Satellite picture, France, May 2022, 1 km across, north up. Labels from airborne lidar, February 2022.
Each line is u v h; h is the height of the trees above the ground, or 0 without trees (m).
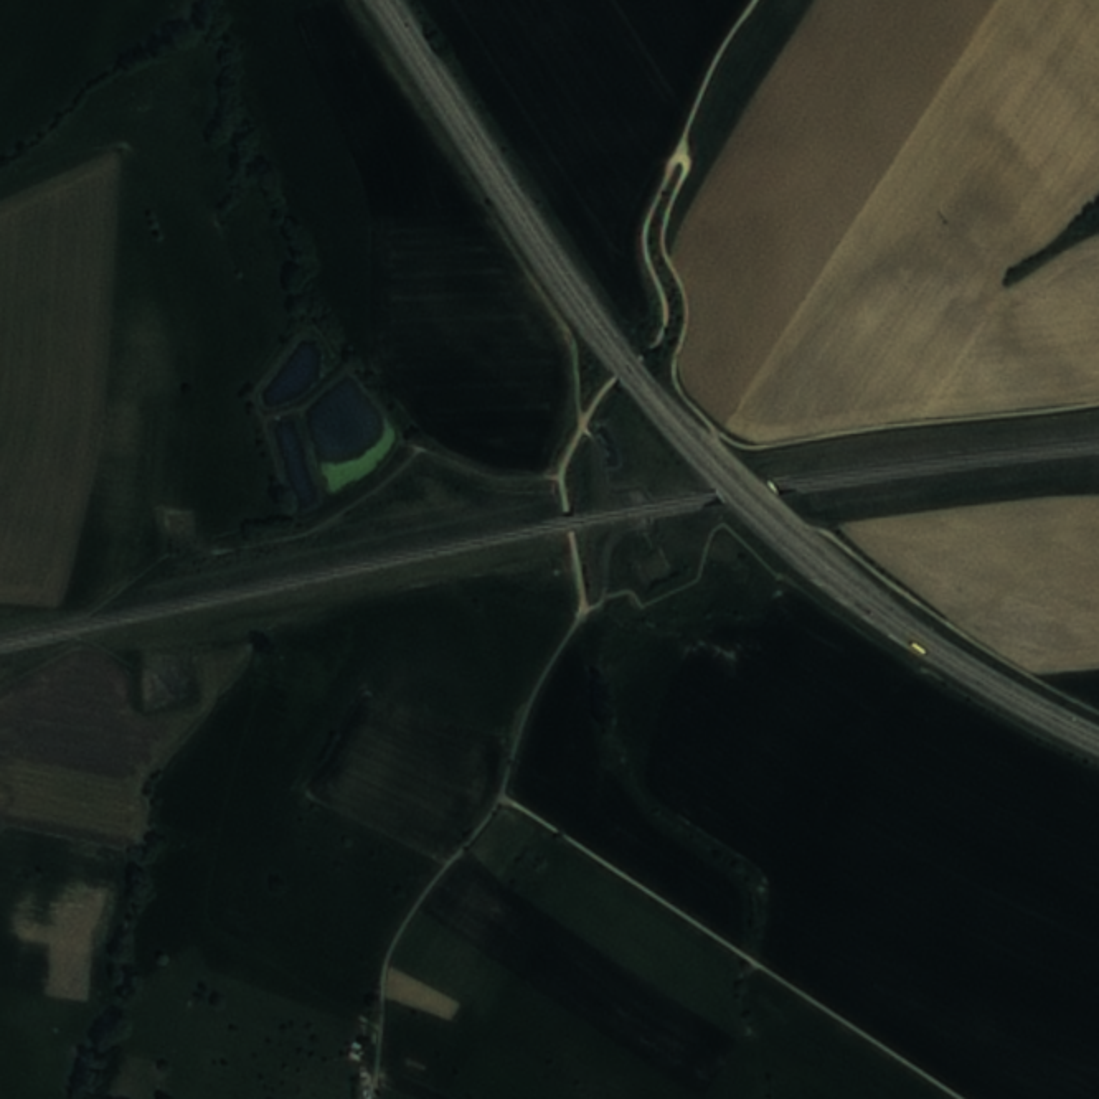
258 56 0
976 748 0
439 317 0
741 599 0
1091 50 0
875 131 0
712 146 0
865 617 0
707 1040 0
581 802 0
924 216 0
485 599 0
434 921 0
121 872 0
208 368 0
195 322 0
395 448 0
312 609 0
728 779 0
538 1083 0
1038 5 0
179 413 0
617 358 0
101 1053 17
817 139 0
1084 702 0
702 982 0
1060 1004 0
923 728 0
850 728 0
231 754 0
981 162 0
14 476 0
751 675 0
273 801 0
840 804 0
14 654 0
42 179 0
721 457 0
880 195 0
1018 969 0
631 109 0
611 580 0
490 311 0
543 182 0
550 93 0
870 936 0
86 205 0
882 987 0
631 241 0
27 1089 0
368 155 0
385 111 0
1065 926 0
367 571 0
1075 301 0
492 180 0
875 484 0
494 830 0
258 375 0
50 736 0
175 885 0
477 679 0
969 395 0
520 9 0
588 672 0
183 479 0
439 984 0
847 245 0
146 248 0
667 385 0
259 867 0
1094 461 0
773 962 0
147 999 0
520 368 0
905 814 0
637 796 0
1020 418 0
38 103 0
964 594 0
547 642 0
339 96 0
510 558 0
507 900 0
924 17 0
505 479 0
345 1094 0
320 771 0
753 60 0
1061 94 0
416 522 0
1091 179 0
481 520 0
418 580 0
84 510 0
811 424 0
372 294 0
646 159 0
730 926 0
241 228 0
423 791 0
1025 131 0
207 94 0
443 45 11
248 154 13
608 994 0
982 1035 0
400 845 0
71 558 0
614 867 0
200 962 0
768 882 0
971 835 0
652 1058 0
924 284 0
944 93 0
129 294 0
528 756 0
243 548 0
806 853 0
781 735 0
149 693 0
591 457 0
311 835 0
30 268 0
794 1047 0
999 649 0
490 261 0
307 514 0
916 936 0
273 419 0
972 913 0
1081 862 0
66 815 0
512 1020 0
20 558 0
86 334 0
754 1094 0
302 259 21
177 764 0
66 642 0
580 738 0
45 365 0
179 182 0
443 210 0
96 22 0
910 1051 0
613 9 0
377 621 0
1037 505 0
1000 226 0
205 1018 0
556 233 0
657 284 0
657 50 0
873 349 0
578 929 0
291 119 0
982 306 0
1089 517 0
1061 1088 0
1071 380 0
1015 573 0
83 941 0
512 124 0
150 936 0
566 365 0
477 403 0
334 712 0
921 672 0
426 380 0
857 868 0
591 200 0
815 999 0
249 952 0
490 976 0
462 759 0
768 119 0
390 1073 0
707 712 0
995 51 0
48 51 0
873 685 0
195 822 0
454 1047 0
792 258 0
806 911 0
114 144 0
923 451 0
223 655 0
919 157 0
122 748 0
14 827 0
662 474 0
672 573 0
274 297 0
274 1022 0
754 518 0
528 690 0
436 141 0
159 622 0
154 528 0
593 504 0
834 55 0
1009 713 0
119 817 0
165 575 0
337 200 0
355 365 9
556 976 0
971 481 0
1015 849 0
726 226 0
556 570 0
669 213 0
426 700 0
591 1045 0
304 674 0
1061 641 0
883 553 0
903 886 0
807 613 0
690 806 0
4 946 0
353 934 0
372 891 0
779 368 0
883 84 0
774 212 0
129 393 0
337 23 0
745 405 0
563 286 0
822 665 0
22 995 0
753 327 0
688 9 0
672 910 0
